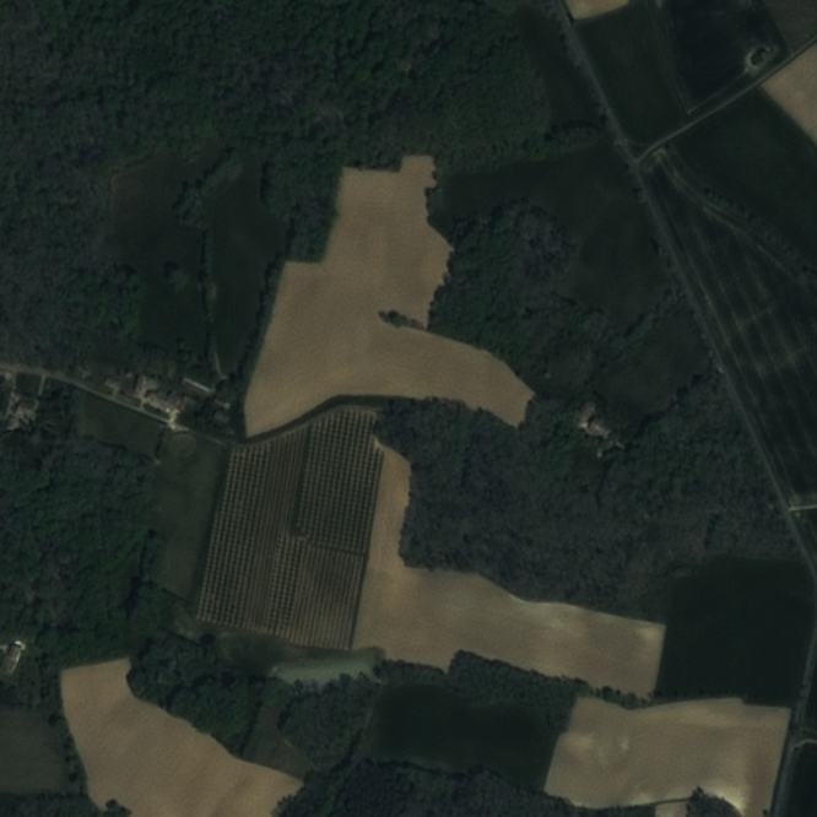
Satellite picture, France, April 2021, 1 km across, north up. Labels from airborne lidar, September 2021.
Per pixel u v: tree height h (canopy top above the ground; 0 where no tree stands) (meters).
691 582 0
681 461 25
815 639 0
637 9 0
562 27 14
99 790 0
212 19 19
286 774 0
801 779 0
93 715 0
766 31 0
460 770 0
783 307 0
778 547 18
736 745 0
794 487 0
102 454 18
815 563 0
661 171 0
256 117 19
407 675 24
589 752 0
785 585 0
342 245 0
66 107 22
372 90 14
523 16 0
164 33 30
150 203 0
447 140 23
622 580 19
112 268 21
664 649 0
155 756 0
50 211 22
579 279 0
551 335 10
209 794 0
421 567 13
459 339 17
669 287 0
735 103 0
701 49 0
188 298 0
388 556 0
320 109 17
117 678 0
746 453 12
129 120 23
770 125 0
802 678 0
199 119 30
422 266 0
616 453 13
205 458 0
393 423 18
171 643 19
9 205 18
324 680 0
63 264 24
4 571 29
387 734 0
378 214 0
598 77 0
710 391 15
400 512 0
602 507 19
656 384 0
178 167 0
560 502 15
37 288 25
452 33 29
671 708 0
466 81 25
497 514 24
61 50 10
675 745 0
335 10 17
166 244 0
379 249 0
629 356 7
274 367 0
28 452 11
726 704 0
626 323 0
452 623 0
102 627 22
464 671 21
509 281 22
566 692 16
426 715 0
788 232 0
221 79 19
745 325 0
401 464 0
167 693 12
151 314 0
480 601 0
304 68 23
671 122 0
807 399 0
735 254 0
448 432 20
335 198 23
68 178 27
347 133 23
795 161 0
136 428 0
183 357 12
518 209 17
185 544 0
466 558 15
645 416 0
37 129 22
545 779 0
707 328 0
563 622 0
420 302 0
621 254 0
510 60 27
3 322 21
